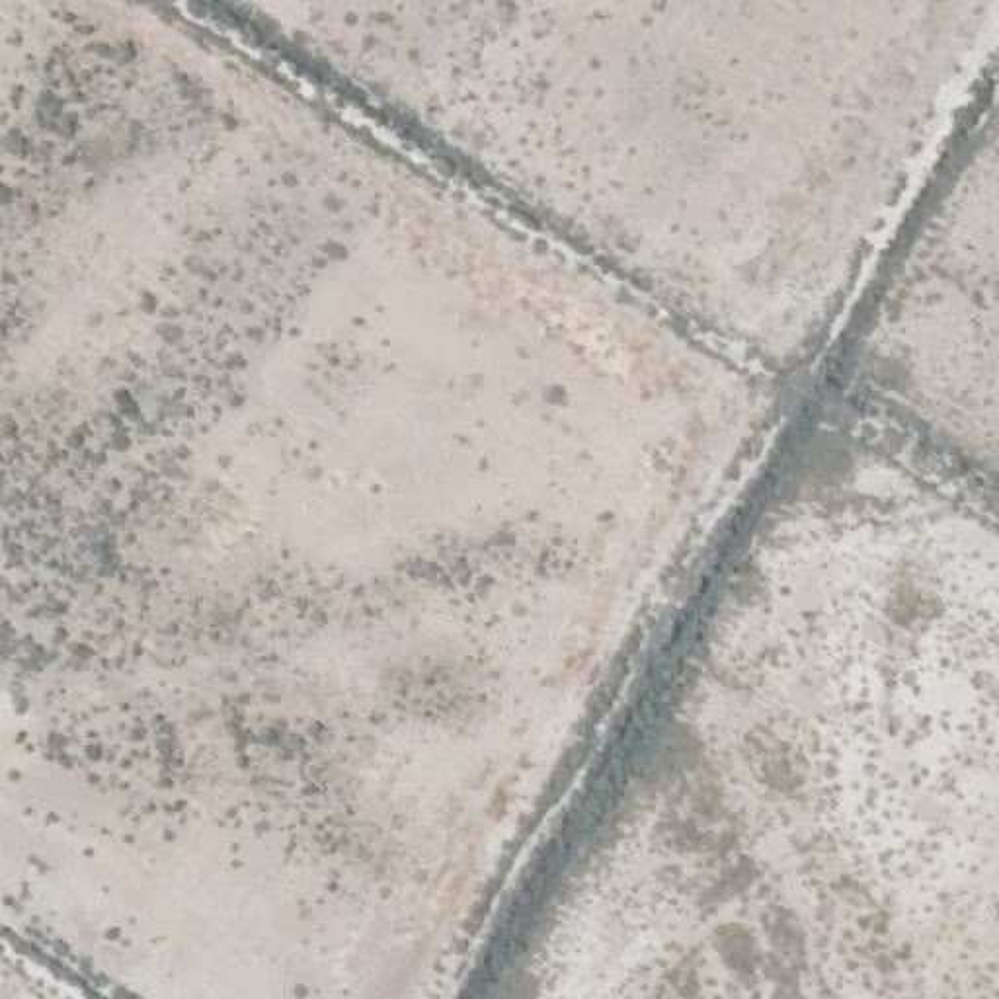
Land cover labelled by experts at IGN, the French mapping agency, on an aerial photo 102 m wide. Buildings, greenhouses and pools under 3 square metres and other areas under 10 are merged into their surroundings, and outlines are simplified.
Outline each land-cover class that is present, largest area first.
<instances>
[{"label":"pervious surface","instance_id":"1","mask_svg":"<svg viewBox=\"0 0 999 999\"><path fill-rule=\"evenodd\" d=\"M265 12L285 35H304V47L312 55H320L367 90V101H402L418 113L425 129H437L445 137V144L460 148L488 172H496L488 187H472L453 176L441 195H433L425 183L410 180L394 164L367 156L351 137L324 129L308 109H293L289 101H281L277 86H269L261 74H230L219 51L195 47L152 8L129 0H0V929H47L62 937L74 952L90 956L94 972L117 979L140 999H457L464 976L453 940L460 937L484 882L492 878L503 843L535 808V796L550 780L562 749L574 741V726L585 714L589 695L609 679V659L624 644L636 609L671 605L659 574L671 562L675 546L683 542L706 550L718 523L738 507L745 488L769 464L780 433L769 429L761 433L757 457L741 464L734 480H726V464L734 449L745 441L749 421L773 406L777 367L784 363V355L800 347L808 324L843 285L847 258L862 238L870 246L859 269V285L843 297V312L831 324L835 340L843 336L855 304L874 281L882 250L898 234L905 211L925 187L956 125V109L972 101V86L987 66V55L999 47V0H242ZM519 199L574 219L593 238V250L578 254L550 230H535L523 219H515L511 203ZM605 254H609V258H617V261H624V265H632V269H648V273H652V289H636V285H628V281H617V277L601 273V269H597V261H601ZM874 351L913 371L909 386L886 390L898 406L921 414L933 429L956 437L968 453H976L983 441L999 445V133L960 172L940 215H933L917 234L901 273L894 277L878 308V324L866 336ZM773 531H757L749 539V550L769 585L753 597V605L726 597L710 624V652L691 659L699 683L683 699L679 722L699 730L702 757L695 761V769L675 773L656 788L628 780V792L605 827V839L613 847L589 859L581 874V894L554 905V929L542 944L531 948L527 968L539 983V999H999V539L979 523L952 515L948 503H933L925 492L913 488V480L898 476L878 460L862 464L859 472L835 484L804 480L796 503H777L765 515ZM0 999H86L74 983L59 979L51 968L16 952L0 937Z\"/></svg>","mask_w":999,"mask_h":999},{"label":"brushwood","instance_id":"2","mask_svg":"<svg viewBox=\"0 0 999 999\"><path fill-rule=\"evenodd\" d=\"M152 8L195 47L219 51L230 74H261L269 86H277L281 101H289L293 109H308L324 129L351 137L367 156L394 164L410 180L425 183L433 195H441L453 176L472 187H488L496 172H488L460 148L445 144V137L437 129H425L418 113L402 101H367V90L320 55H312L304 47V35H285L265 12L242 0H129ZM999 133V47L987 55V66L972 86V101L956 109V125L925 187L905 211L898 234L882 250L874 281L855 304L843 336L835 340L831 324L843 312V297L859 285V269L870 246L862 238L847 258L843 285L808 324L800 347L784 355V363L777 367L773 406L749 421L745 441L734 449L726 464V480H734L741 464L757 457L761 433L769 429L780 433L769 464L745 488L738 507L718 523L706 550L683 542L675 546L671 562L659 574L671 605L636 609L624 644L609 659V679L589 695L585 714L574 726V741L562 749L550 780L535 796V808L503 843L492 878L484 882L460 937L453 940L464 976L457 999H539V983L527 968L531 948L542 944L554 929V905L581 894V874L589 859L613 847L605 839V827L628 792V780L656 788L675 773L695 769V761L702 757L699 730L679 722L683 699L699 683L691 659L710 652V624L726 597L753 605V597L769 585L749 550V539L757 531H773L765 515L777 503H796L804 480L835 484L859 472L862 464L878 460L898 476L913 480V488L925 492L933 503H948L952 515L979 523L999 539V445L983 441L976 453H968L956 437L933 429L921 414L898 406L886 390L909 386L913 371L874 351L866 336L878 324V308L894 277L901 273L917 234L933 215H940L960 172ZM515 219H523L535 230H550L578 254L593 250V238L574 219L519 199L511 203ZM597 269H601V273L617 277V281H628V285H636V289H652V273H648V269H632V265H624V261H617V258H609V254H605L601 261H597ZM0 937L16 952L51 968L59 979L74 983L86 999H140L117 979L94 972L90 956L74 952L62 937L47 929H0Z\"/></svg>","mask_w":999,"mask_h":999}]
</instances>
